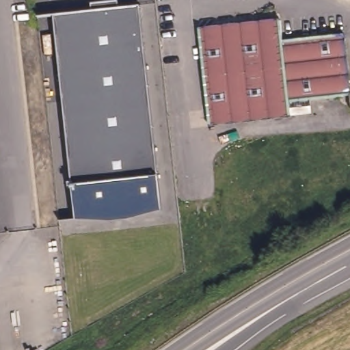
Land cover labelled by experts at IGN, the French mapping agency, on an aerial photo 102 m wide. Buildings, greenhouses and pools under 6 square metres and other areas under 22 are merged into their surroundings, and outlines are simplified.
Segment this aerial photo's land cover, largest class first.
<instances>
[{"label":"impervious surface","instance_id":"1","mask_svg":"<svg viewBox=\"0 0 350 350\"><path fill-rule=\"evenodd\" d=\"M90 1L96 0H0V350H45L56 340L67 338L72 332L71 325L67 324L70 312L63 264L64 235L179 223V201L212 198L215 191L213 161L217 152L224 148L227 142L272 134L324 133L350 129V77L346 86L349 87V92L345 104L340 103V97L328 101H294L287 111L286 118L279 122L268 119L247 123H220L209 130V122L205 120L204 83L201 60L197 59V48L200 46V27L279 19L283 22L284 40L338 34L342 30L346 34L347 70L350 74V0H118L120 5L139 4L141 45L137 46V51L142 52L144 56L157 209L124 219L101 220L72 219L70 189L67 186L63 189V179H68V171L52 18L37 19L38 14L48 12L87 10ZM350 288V234L321 247L317 252L301 258L290 267L250 288L246 293L198 321L193 327L186 329L159 350H250L288 321Z\"/></svg>","mask_w":350,"mask_h":350},{"label":"herbaceous vegetation","instance_id":"2","mask_svg":"<svg viewBox=\"0 0 350 350\"><path fill-rule=\"evenodd\" d=\"M215 191L212 198L179 201V223L64 235L63 264L70 312L67 324L71 325L72 332L67 338L56 340L45 350H113L120 345V339L126 331L144 320L149 313L163 309L178 295H197L205 279L215 278L219 273L235 265L249 261L253 252L261 254L262 249H267L269 239L276 228L298 223L299 227H309L312 230L314 221L321 219L332 204L342 209L343 205L350 202V129L324 133L272 134L227 142L224 148L217 152L213 161ZM350 234V230L338 232L294 260L284 262L269 272L261 273L253 282L243 284L235 293L220 301L205 297L204 301L191 306L185 316L176 317L174 323L167 321L163 328H157L153 334H145L144 339L138 340L127 350H159L186 329L193 327L198 321L246 293L250 288L290 267L301 258L317 252L321 247ZM350 304V288L288 321L250 350H279L288 345L291 338L302 334L306 328L316 327L320 320Z\"/></svg>","mask_w":350,"mask_h":350},{"label":"building","instance_id":"3","mask_svg":"<svg viewBox=\"0 0 350 350\"><path fill-rule=\"evenodd\" d=\"M139 4L120 5L118 0H96L90 1L87 10L48 12L38 14L37 19L52 18L68 171V179H63V189L67 186L70 189L72 219L101 220L124 219L157 209L144 56L142 52L137 51V46L141 45ZM346 34L342 30L338 34L284 40L283 22L279 19L200 27V46L197 48V59L201 60L204 83L205 120L209 122V130L220 123H247L268 119L279 122L286 118L287 111L294 101H328L340 97V103L345 104L349 92V87L346 86L350 77V74L347 70Z\"/></svg>","mask_w":350,"mask_h":350},{"label":"brushwood","instance_id":"4","mask_svg":"<svg viewBox=\"0 0 350 350\"><path fill-rule=\"evenodd\" d=\"M350 230V202L343 205L342 209L332 204L321 219L314 221L312 230L309 227H299L298 223L276 228L269 239L267 249H262L261 254L253 252L249 261L235 265L219 273L215 278L205 279L197 295H178L163 309L149 313L144 320L126 331L120 339V345L113 350H127L138 340L144 339L145 334H153L157 328H163L167 321L174 323L176 317L185 316L191 306L204 301L205 297L220 301L235 293L243 284L253 282L261 273L269 272L284 262L294 260L338 232Z\"/></svg>","mask_w":350,"mask_h":350},{"label":"agricultural land","instance_id":"5","mask_svg":"<svg viewBox=\"0 0 350 350\"><path fill-rule=\"evenodd\" d=\"M279 350H350V304L320 320L316 327L306 328L302 334L291 338L288 345Z\"/></svg>","mask_w":350,"mask_h":350}]
</instances>
